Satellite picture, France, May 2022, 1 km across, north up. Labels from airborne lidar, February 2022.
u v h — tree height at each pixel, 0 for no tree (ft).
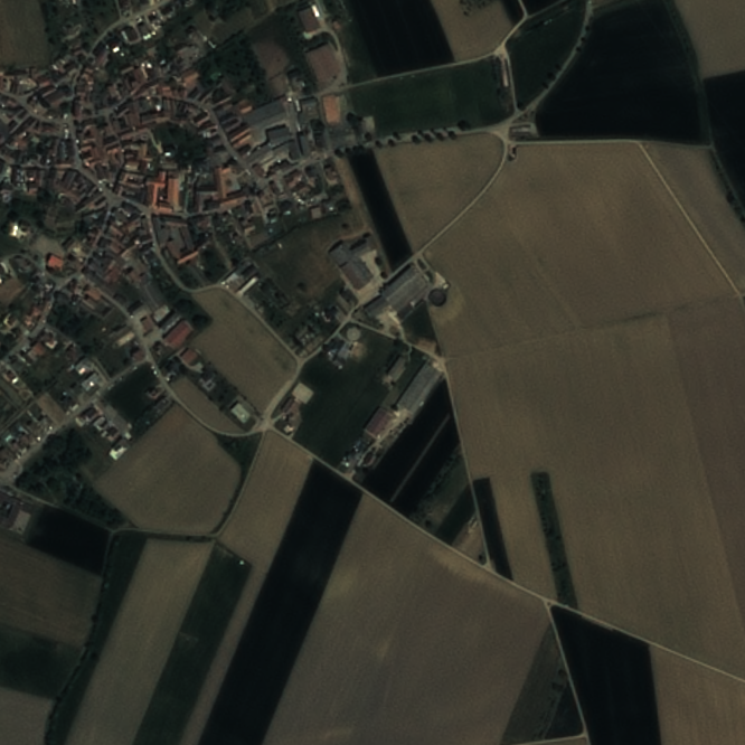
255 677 0
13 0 0
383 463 0
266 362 0
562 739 0
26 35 0
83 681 0
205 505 0
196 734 0
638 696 0
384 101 0
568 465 0
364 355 0
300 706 0
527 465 0
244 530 0
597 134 0
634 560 0
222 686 0
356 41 0
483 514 0
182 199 0
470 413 0
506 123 0
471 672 0
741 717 0
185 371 37
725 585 0
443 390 0
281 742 0
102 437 0
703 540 0
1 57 0
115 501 0
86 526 0
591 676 0
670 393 0
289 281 0
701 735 0
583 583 0
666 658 0
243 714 0
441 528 0
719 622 0
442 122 0
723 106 0
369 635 0
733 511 0
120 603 0
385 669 0
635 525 0
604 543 0
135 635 0
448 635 0
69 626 0
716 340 0
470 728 0
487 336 0
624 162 0
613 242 0
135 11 0
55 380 0
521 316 0
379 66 0
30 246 0
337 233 0
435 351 0
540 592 0
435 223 0
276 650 0
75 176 0
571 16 0
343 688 0
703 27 0
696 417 0
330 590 0
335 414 0
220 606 0
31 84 0
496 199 0
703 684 0
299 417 0
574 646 0
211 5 36
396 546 0
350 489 0
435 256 0
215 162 0
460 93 0
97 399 0
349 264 0
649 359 0
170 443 0
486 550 0
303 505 0
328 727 0
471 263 0
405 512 0
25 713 0
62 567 0
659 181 0
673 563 0
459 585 0
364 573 0
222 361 0
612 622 0
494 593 0
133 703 0
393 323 0
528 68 0
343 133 0
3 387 0
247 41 26
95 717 0
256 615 0
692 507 0
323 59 0
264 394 0
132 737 0
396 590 0
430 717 0
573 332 0
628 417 0
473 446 0
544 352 0
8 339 27
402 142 0
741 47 0
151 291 0
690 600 0
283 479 0
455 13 0
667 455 0
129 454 0
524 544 0
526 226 0
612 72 0
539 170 0
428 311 0
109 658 0
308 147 0
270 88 0
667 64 0
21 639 0
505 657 0
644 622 0
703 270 0
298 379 0
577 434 0
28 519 0
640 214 0
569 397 0
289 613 0
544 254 0
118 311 0
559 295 0
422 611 0
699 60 0
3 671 0
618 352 0
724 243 0
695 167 0
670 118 0
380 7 0
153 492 0
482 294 0
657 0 0
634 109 0
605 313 0
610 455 0
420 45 0
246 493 0
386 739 0
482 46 0
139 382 0
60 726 0
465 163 0
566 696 0
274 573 0
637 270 0
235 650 0
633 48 0
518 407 0
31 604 0
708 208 0
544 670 0
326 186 0
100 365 0
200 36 0
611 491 0
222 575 0
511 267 0
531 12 0
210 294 0
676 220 0
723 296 0
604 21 0
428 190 0
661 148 0
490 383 0
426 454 0
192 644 0
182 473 0
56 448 45
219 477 0
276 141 0
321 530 0
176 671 0
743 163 0
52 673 0
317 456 0
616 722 0
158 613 0
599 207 0
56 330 0
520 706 0
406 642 0
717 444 0
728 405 0
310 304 0
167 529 0
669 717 0
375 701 0
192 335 0
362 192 0
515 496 0
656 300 0
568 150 0
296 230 0
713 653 0
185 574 0
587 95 0
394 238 0
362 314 0
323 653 0
